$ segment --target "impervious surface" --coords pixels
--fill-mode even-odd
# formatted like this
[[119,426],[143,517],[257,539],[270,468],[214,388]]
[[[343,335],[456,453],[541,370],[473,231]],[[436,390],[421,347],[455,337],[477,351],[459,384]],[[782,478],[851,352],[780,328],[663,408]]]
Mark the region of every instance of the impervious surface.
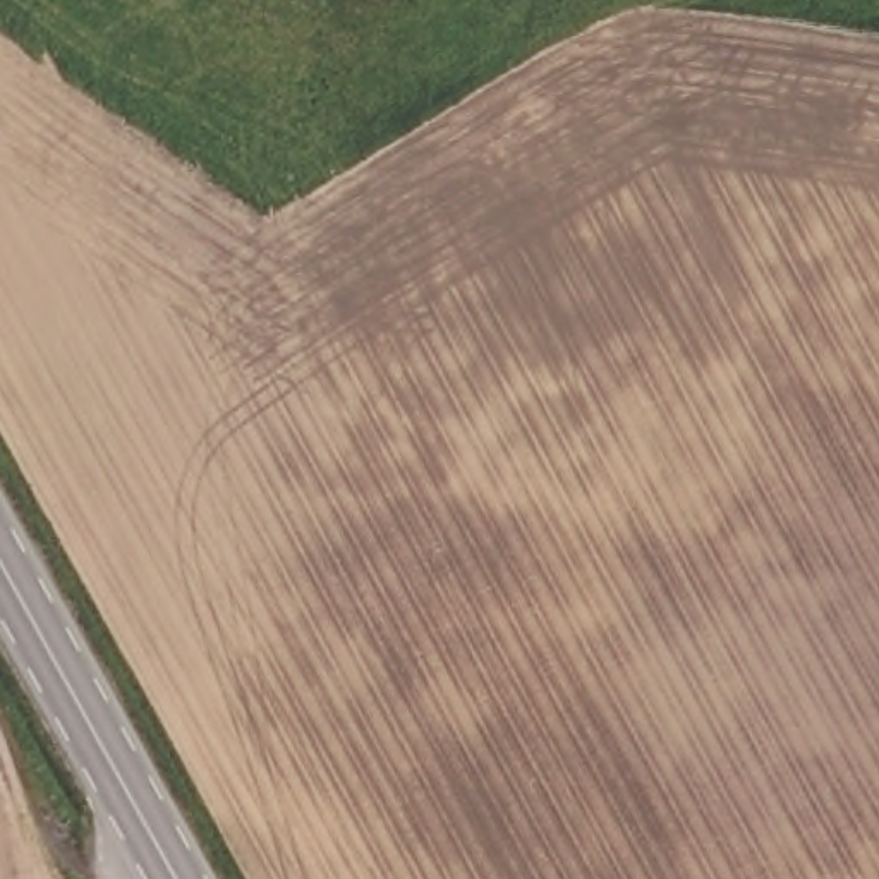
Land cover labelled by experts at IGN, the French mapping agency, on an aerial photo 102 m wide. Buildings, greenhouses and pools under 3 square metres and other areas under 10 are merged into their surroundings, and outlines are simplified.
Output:
[[24,683],[24,690],[31,694],[41,724],[58,742],[69,773],[86,793],[86,807],[93,810],[93,879],[216,879],[206,852],[185,824],[185,814],[168,793],[113,683],[106,680],[96,652],[89,649],[69,601],[58,594],[45,556],[24,532],[10,498],[0,488],[0,649],[14,666],[17,680]]

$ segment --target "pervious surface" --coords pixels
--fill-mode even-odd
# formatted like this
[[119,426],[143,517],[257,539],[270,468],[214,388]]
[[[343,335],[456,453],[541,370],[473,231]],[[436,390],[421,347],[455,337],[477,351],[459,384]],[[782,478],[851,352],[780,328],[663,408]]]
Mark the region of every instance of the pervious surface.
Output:
[[41,845],[34,814],[27,807],[7,731],[0,724],[0,803],[14,821],[10,831],[21,879],[58,879]]

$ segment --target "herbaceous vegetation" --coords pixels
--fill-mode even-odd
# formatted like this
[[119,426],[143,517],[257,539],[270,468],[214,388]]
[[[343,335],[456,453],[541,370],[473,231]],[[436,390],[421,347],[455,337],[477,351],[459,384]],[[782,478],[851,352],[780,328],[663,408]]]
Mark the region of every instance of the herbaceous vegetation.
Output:
[[27,807],[34,814],[41,845],[58,879],[93,879],[93,810],[86,807],[86,793],[69,773],[58,742],[41,724],[31,694],[24,690],[24,683],[17,680],[14,666],[0,649],[0,724],[7,731]]
[[24,532],[45,556],[58,594],[69,601],[89,649],[96,652],[106,680],[113,683],[168,793],[185,814],[185,824],[206,852],[216,879],[244,879],[185,762],[179,759],[165,724],[158,721],[144,687],[127,666],[100,608],[93,604],[86,584],[79,580],[69,553],[62,549],[31,484],[24,481],[14,453],[0,436],[0,488],[10,498]]

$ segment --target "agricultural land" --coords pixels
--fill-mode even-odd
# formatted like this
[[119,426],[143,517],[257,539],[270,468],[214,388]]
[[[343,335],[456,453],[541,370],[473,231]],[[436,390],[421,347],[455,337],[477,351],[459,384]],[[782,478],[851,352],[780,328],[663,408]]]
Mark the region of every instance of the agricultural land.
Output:
[[69,553],[79,580],[86,584],[93,604],[100,608],[127,666],[144,687],[158,721],[165,724],[179,759],[185,762],[244,879],[879,879],[879,0],[0,0],[0,436],[14,453],[24,481],[31,484],[62,549]]
[[0,803],[0,879],[21,879],[10,831],[14,821]]

